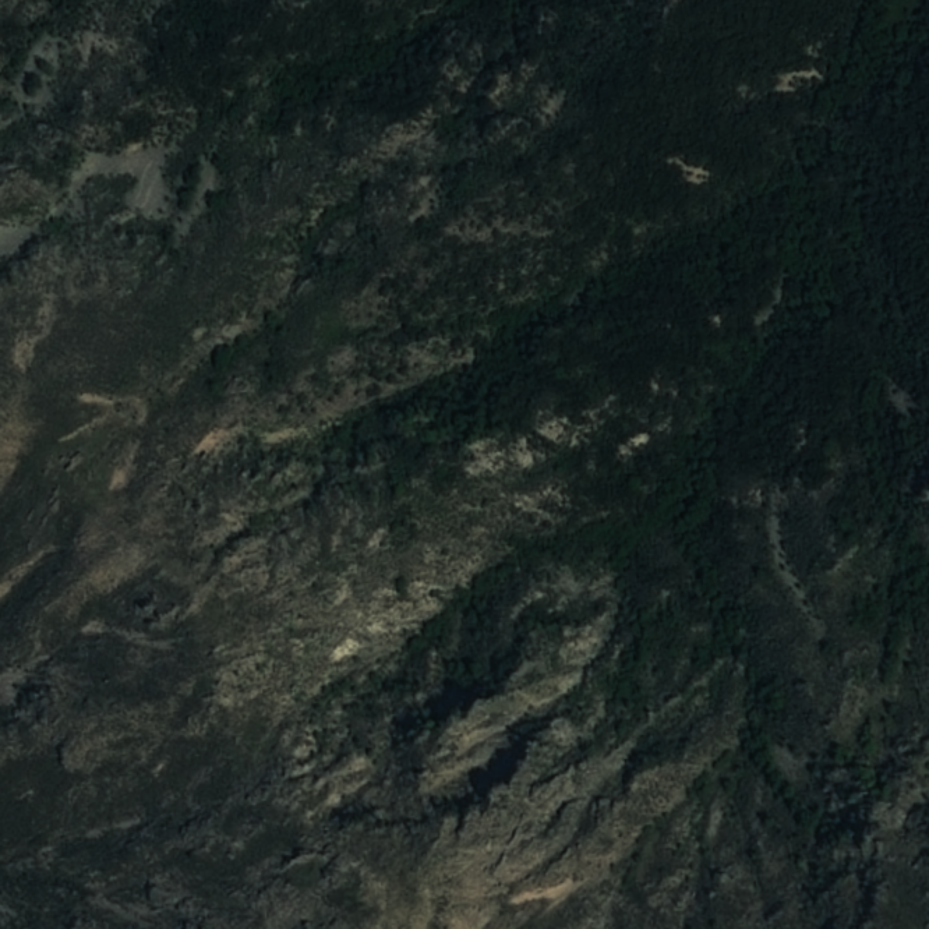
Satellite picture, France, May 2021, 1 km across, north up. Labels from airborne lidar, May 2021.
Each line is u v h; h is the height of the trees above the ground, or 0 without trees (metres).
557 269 12
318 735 11
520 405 7
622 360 13
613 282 16
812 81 8
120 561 0
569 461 11
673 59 12
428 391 24
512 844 0
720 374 12
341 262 11
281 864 0
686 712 8
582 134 7
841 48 19
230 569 0
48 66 20
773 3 13
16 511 0
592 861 0
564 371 12
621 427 12
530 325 15
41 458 0
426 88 7
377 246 10
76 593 0
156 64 6
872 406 23
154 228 6
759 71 18
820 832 12
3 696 0
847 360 12
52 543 0
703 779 11
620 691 17
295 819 0
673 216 7
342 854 0
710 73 9
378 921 0
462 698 17
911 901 0
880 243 12
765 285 9
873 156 12
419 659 6
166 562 0
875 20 25
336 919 0
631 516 8
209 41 10
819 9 8
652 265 17
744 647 14
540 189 15
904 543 17
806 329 13
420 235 7
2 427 0
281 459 7
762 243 13
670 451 9
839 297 17
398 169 8
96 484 0
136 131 15
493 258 15
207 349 0
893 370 14
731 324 14
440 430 27
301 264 9
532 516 7
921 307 16
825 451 10
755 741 28
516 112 7
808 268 26
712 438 14
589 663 7
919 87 9
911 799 0
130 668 0
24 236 0
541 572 6
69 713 0
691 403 10
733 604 6
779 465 10
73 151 14
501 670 13
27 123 7
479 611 13
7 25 7
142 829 0
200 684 0
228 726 0
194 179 18
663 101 13
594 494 8
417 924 0
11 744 0
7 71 12
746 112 6
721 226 23
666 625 9
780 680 8
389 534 7
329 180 8
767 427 11
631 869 9
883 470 16
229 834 0
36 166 13
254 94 7
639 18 10
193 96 9
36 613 0
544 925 0
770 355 22
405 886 0
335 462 6
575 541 12
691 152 17
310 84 13
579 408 7
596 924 0
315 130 6
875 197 14
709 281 25
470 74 7
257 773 0
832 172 7
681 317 10
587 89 10
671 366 9
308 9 7
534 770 9
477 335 8
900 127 11
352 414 7
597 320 22
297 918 0
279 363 7
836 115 10
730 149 13
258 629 0
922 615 10
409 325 19
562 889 0
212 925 0
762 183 16
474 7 15
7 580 0
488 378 13
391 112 7
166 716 0
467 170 7
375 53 11
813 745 0
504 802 8
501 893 0
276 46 7
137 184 8
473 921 0
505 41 15
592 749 21
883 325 7
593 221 14
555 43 6
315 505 12
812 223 12
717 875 10
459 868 0
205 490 8
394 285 12
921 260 17
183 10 9
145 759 0
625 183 13
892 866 0
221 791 0
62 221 13
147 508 0
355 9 11
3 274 11
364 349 12
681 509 16
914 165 6
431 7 20
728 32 14
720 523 10
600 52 5
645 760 7
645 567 9
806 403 6
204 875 0
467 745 0
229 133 7
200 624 0
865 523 10
